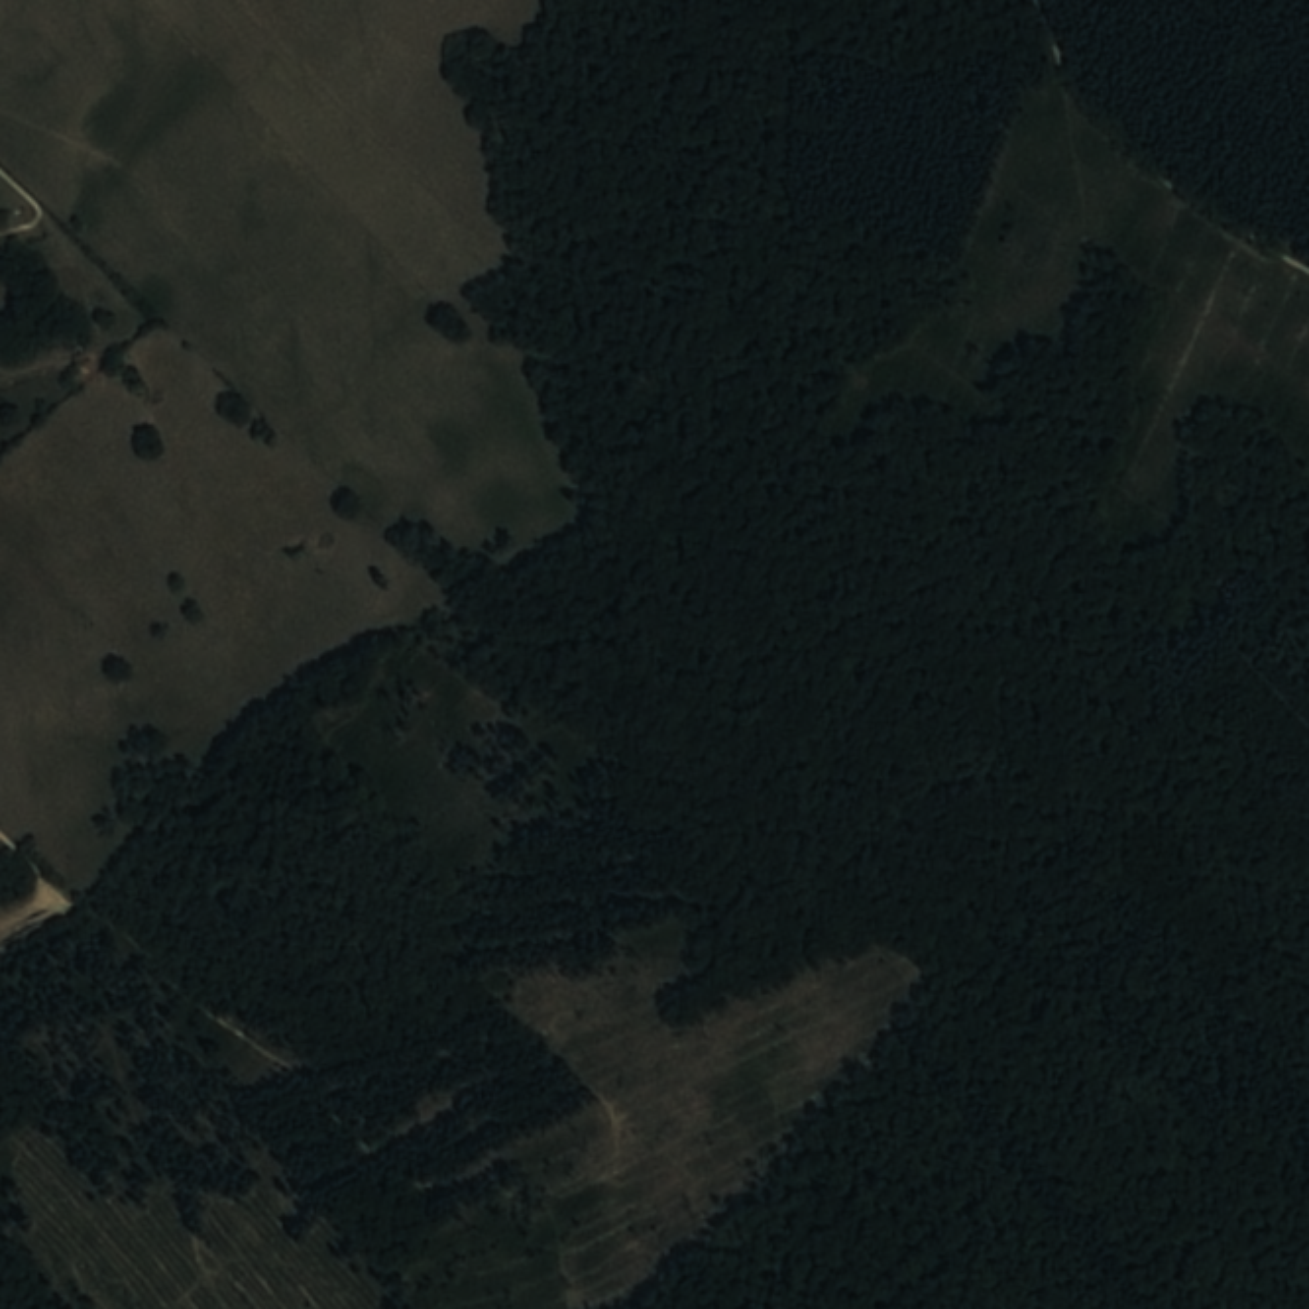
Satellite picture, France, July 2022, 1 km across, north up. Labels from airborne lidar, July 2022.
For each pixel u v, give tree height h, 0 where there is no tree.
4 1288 24
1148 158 15
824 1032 0
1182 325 0
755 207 17
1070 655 25
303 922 14
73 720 0
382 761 0
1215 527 22
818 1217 23
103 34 0
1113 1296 20
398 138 0
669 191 21
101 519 0
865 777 25
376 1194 20
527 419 0
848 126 24
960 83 17
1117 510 0
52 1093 24
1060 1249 16
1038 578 22
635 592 32
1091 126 10
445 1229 18
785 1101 0
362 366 0
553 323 23
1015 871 21
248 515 0
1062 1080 16
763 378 29
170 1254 0
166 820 20
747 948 23
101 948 21
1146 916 23
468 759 22
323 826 11
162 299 0
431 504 0
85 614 0
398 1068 24
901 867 21
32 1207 0
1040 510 23
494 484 0
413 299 0
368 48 0
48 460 0
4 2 0
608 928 24
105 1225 0
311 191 0
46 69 0
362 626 0
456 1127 23
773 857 23
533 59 21
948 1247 24
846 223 15
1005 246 13
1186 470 19
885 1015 0
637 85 22
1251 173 21
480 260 0
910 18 26
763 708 25
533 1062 23
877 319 22
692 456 23
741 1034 0
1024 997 22
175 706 0
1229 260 0
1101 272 10
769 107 30
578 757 0
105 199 0
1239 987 23
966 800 23
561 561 26
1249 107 21
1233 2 21
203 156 0
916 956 23
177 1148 22
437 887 17
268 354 0
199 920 20
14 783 0
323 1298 0
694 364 24
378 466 0
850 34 24
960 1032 19
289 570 0
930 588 20
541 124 21
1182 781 15
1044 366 21
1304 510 18
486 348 0
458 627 18
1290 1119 15
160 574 0
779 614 27
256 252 0
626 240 24
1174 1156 21
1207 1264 27
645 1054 0
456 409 0
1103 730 22
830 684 23
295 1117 19
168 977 19
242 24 0
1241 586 26
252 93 0
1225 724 14
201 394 0
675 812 21
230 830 25
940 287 22
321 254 0
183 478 0
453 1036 22
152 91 0
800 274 25
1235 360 0
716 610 27
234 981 23
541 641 28
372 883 20
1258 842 18
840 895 22
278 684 0
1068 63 14
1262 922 24
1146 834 16
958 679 22
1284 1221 19
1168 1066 21
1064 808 20
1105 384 22
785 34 24
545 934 24
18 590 0
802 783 26
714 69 21
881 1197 22
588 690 24
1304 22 20
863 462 17
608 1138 0
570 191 20
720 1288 20
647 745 23
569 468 17
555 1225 0
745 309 23
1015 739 24
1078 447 18
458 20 0
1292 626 13
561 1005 0
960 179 23
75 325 15
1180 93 19
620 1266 0
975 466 21
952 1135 24
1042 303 0
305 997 21
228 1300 0
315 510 0
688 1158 0
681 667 21
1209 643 24
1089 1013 19
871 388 0
